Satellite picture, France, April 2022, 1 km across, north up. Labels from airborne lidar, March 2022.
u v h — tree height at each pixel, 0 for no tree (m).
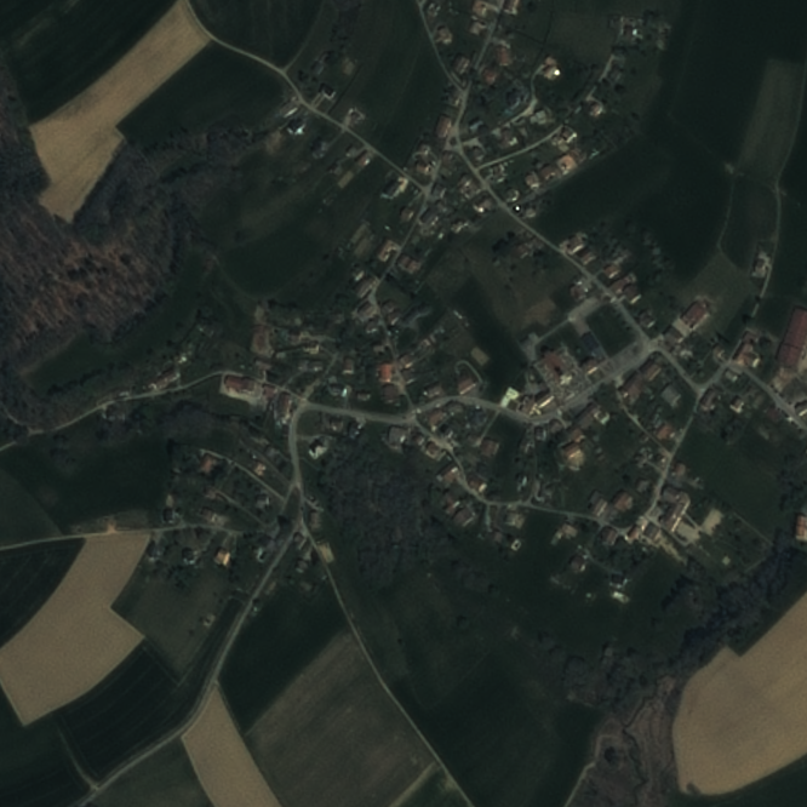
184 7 0
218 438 0
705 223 0
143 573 0
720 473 0
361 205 0
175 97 0
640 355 0
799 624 0
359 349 8
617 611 0
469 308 0
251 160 0
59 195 0
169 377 0
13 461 0
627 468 8
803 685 0
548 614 0
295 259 0
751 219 0
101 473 0
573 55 0
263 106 0
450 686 0
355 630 0
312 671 0
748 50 0
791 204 0
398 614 0
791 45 0
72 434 0
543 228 0
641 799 0
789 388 0
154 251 32
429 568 12
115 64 0
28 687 0
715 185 0
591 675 18
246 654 0
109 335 29
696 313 0
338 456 12
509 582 0
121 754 0
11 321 27
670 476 0
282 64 0
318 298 0
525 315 0
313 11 0
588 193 0
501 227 0
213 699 0
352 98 0
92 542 0
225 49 0
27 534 0
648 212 0
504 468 0
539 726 0
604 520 0
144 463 0
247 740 0
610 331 0
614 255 9
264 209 0
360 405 0
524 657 0
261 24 0
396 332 12
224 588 0
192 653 0
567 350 0
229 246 0
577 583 0
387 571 16
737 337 0
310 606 0
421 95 0
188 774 0
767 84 0
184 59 0
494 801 0
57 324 30
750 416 0
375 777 0
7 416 17
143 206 33
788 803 0
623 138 6
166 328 0
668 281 0
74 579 0
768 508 0
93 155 0
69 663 0
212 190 19
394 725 0
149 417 9
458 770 0
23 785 0
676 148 0
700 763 0
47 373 0
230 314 0
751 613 29
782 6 0
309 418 0
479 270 0
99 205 25
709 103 0
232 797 0
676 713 23
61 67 0
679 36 0
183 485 0
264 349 0
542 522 0
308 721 0
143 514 0
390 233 0
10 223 31
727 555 0
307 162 0
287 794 0
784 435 0
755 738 0
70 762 0
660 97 0
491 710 0
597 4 0
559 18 0
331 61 11
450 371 0
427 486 0
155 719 0
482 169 0
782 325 0
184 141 21
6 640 0
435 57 0
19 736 0
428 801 0
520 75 0
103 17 0
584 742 0
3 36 0
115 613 0
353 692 0
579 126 0
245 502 12
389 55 0
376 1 0
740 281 0
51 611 0
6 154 25
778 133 0
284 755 0
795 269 0
